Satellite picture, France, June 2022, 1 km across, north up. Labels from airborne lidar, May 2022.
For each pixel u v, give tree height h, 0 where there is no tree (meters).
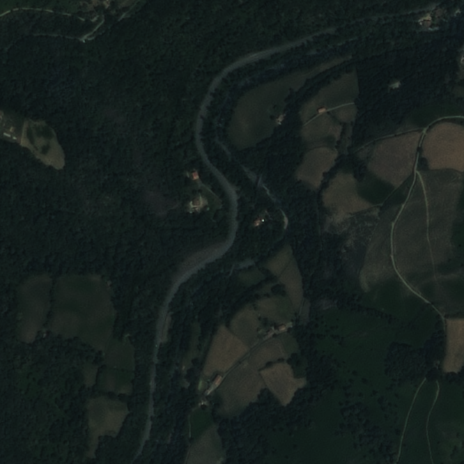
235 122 0
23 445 11
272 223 17
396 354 20
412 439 0
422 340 0
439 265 0
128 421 13
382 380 0
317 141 0
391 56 15
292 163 26
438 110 0
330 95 0
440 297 0
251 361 0
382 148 0
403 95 11
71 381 15
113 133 9
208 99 0
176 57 18
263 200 14
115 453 22
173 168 15
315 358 12
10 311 18
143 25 14
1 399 13
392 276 0
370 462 0
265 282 10
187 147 21
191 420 0
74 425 20
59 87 39
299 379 0
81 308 0
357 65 21
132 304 17
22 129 0
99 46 10
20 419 11
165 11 24
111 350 0
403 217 0
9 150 14
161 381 21
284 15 24
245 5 15
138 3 6
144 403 19
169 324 0
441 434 0
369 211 0
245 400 0
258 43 15
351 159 10
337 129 0
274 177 24
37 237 22
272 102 0
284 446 0
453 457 11
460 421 0
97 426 0
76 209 13
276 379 0
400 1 18
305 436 0
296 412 12
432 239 0
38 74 25
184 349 16
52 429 13
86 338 0
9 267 21
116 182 19
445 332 8
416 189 0
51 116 23
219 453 0
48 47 21
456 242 0
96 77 13
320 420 0
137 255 19
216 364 0
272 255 11
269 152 14
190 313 14
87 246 30
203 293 15
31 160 14
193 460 0
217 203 0
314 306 11
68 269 22
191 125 21
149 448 20
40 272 18
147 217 18
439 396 0
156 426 15
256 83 13
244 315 0
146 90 12
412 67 13
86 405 18
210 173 20
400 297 0
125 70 14
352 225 0
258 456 15
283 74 23
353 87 0
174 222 21
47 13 7
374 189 0
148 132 20
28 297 0
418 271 0
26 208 23
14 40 11
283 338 0
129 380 0
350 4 24
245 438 20
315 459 0
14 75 21
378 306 0
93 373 0
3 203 17
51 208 28
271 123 0
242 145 0
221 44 15
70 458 8
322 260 8
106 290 0
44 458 14
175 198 11
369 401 0
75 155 15
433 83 10
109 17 14
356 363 0
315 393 11
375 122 11
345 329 0
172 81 11
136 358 18
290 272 0
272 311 0
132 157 12
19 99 20
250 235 7
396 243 0
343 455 0
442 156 0
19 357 20
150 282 12
